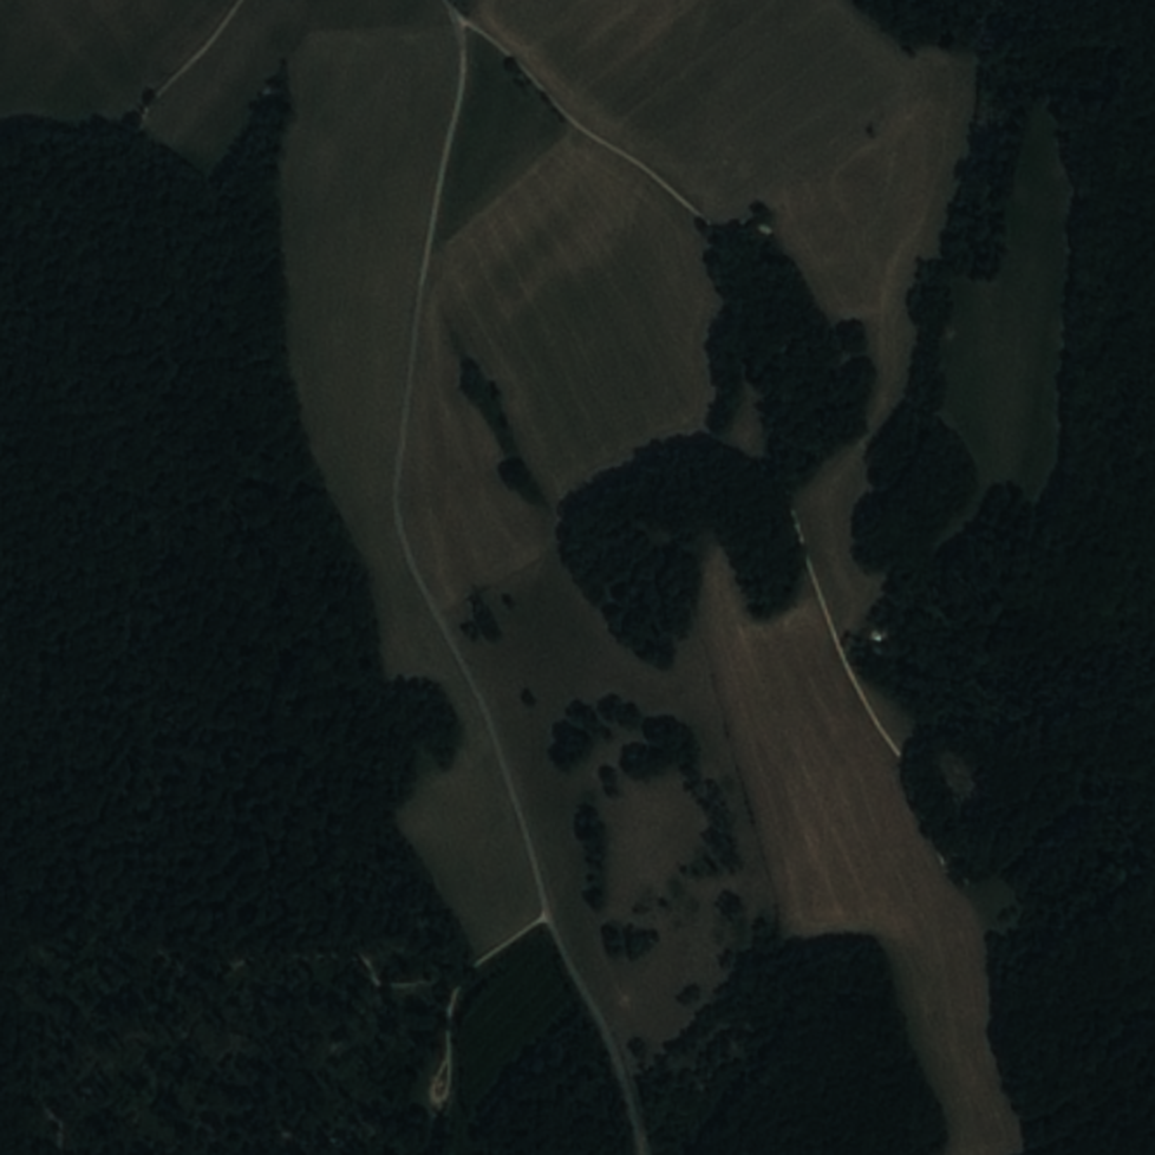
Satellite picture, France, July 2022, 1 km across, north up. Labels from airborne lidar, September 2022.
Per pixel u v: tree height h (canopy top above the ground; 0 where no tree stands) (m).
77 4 0
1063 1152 23
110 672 24
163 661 29
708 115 0
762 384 21
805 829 0
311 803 29
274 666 16
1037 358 0
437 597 0
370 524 0
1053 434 0
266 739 28
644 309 0
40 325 20
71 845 24
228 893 29
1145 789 22
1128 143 29
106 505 23
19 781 20
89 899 30
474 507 0
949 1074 0
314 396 0
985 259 24
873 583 0
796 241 0
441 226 0
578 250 0
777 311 27
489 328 0
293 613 26
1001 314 0
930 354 15
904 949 0
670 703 0
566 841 0
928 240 0
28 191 22
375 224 0
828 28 0
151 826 23
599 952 0
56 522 17
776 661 0
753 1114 18
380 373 0
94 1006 24
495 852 0
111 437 26
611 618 16
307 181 0
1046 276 0
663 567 18
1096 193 23
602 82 0
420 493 0
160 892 28
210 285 22
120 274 20
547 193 0
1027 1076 23
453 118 0
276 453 23
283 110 24
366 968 28
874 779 0
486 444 0
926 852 0
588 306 0
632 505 18
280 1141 21
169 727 29
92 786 25
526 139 0
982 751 28
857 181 0
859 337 21
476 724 0
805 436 21
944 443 22
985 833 19
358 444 0
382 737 18
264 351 23
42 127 22
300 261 0
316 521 24
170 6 0
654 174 0
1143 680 25
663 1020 0
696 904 0
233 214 23
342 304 0
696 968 0
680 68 0
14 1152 22
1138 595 26
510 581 0
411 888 26
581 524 23
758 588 18
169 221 24
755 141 0
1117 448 26
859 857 0
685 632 14
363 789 19
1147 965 32
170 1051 8
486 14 0
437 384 0
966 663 23
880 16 19
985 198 22
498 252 0
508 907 0
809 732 0
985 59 15
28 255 19
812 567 0
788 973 22
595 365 0
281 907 18
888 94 0
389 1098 30
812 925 0
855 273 0
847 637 0
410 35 0
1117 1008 26
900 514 23
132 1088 29
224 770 31
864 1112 27
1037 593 32
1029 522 17
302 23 0
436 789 0
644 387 0
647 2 0
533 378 0
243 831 25
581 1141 20
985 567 27
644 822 0
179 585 25
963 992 0
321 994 25
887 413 0
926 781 17
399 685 9
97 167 20
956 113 0
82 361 25
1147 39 28
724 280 17
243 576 24
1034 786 23
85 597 25
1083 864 25
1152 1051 26
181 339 23
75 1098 26
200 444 24
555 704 0
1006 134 18
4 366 13
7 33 0
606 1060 10
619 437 0
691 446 19
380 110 0
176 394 25
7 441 21
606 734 14
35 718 24
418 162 0
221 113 0
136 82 0
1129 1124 25
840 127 0
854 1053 26
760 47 0
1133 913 29
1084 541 27
